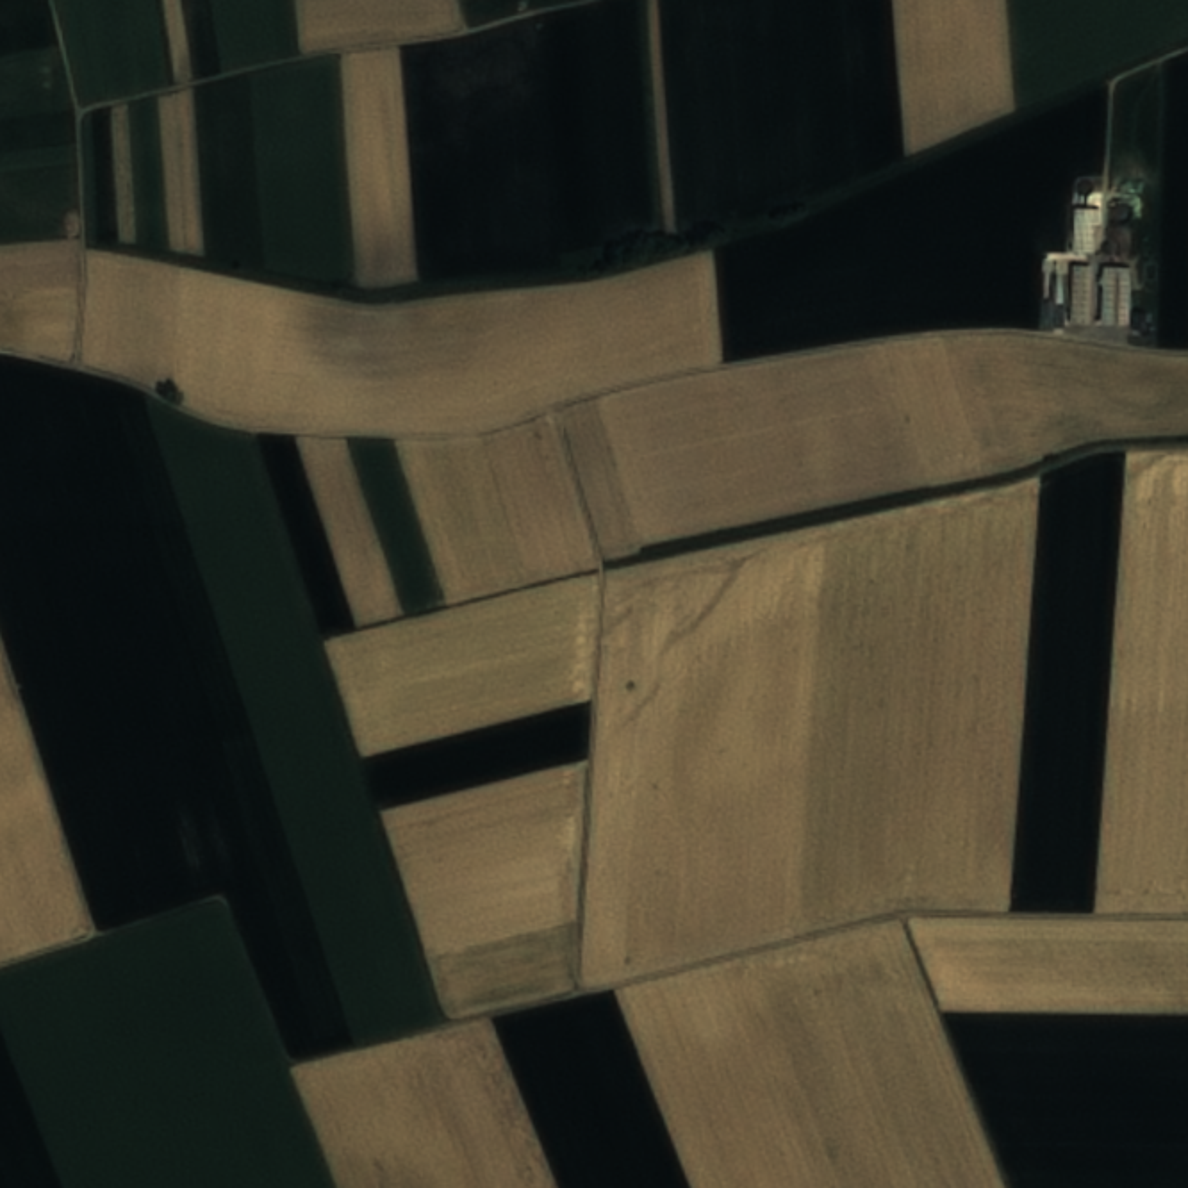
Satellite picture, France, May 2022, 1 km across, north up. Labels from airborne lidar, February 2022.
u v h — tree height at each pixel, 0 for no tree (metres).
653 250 12
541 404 0
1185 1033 0
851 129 0
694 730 0
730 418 0
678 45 0
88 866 0
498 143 0
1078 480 0
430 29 0
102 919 0
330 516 0
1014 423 0
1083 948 0
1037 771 0
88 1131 0
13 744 0
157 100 0
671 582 0
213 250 0
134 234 0
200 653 0
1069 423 0
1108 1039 0
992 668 0
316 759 0
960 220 0
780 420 0
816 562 0
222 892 0
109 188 0
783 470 0
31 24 0
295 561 0
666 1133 0
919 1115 0
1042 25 0
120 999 0
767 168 0
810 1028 0
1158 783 0
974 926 0
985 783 0
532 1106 0
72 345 0
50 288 0
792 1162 0
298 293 0
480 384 0
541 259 0
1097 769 0
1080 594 0
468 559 0
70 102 0
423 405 0
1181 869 0
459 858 0
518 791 0
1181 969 0
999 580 0
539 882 0
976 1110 0
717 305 0
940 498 0
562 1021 0
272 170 0
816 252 0
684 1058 0
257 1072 0
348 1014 0
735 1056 0
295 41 0
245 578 0
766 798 0
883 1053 0
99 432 0
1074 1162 0
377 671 0
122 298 0
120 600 0
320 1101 0
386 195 0
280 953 0
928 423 0
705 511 0
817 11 0
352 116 0
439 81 0
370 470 0
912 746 0
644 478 0
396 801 0
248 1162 0
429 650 0
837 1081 0
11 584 0
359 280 0
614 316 0
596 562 0
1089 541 0
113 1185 0
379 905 0
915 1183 0
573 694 0
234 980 0
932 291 0
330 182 0
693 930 0
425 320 0
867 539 0
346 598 0
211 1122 0
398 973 0
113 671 0
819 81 0
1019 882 0
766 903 0
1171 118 0
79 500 0
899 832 0
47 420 0
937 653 0
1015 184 0
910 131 0
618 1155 0
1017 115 0
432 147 0
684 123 0
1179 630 0
